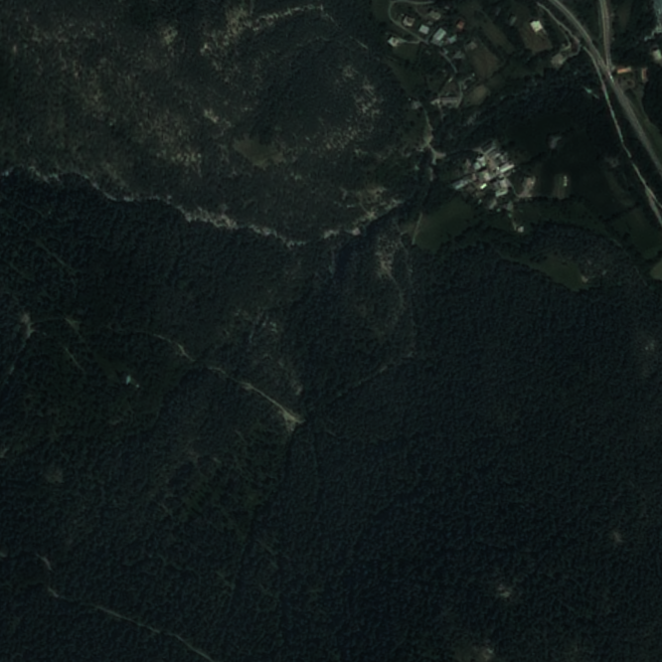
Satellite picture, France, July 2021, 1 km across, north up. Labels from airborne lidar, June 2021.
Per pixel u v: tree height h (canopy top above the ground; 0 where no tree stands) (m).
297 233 11
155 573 29
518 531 19
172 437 11
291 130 7
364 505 31
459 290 16
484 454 19
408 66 11
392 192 6
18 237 16
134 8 14
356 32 8
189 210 9
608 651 23
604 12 0
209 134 8
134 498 20
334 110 5
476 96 0
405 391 19
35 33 6
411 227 0
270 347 10
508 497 22
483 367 13
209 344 12
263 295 10
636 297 7
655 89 21
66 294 19
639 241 0
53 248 19
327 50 11
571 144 0
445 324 22
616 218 11
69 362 18
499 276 21
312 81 12
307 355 12
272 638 27
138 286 26
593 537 15
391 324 7
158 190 12
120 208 15
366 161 8
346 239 10
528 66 14
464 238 12
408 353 7
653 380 12
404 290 6
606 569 23
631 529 22
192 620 22
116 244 17
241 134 7
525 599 16
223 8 9
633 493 21
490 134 7
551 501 19
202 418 11
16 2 7
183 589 33
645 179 8
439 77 8
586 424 15
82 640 25
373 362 25
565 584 15
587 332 26
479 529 22
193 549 31
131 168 6
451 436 27
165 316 21
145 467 26
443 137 19
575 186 0
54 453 11
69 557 13
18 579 13
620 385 16
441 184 11
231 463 24
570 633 12
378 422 21
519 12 0
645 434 13
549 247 6
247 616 21
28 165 11
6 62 9
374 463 30
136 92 7
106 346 13
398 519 25
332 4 10
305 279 7
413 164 10
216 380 16
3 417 21
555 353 22
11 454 17
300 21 9
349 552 21
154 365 14
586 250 8
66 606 26
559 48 10
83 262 20
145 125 6
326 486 20
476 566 20
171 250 17
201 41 9
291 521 19
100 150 6
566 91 14
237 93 7
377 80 6
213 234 14
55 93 8
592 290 10
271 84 8
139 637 25
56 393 9
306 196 9
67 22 7
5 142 8
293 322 19
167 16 7
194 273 14
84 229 23
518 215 0
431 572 11
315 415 22
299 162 9
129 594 29
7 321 8
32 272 11
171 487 12
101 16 7
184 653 21
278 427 14
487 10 8
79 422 9
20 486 18
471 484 24
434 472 31
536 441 21
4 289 7
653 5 7
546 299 19
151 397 19
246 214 10
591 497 22
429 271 18
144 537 17
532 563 26
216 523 24
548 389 21
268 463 13
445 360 18
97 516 11
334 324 12
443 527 8
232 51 6
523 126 0
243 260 18
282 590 26
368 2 7
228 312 12
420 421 16
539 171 0
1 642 24
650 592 12
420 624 23
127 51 8
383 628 21
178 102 11
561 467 23
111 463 16
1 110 9
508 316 15
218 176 9
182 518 21
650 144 0
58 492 16
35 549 22
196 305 12
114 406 9
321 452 21
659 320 12
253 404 14
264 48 8
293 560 20
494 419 9
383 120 7
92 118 9
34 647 24
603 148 12
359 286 10
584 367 12
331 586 23
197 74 7
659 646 15
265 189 13
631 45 6
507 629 30
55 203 23
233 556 28
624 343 14
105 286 19
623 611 20
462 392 21
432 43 7
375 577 28
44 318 11
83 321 19
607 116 18
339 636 29
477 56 0
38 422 13
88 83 6
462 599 22
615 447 17
